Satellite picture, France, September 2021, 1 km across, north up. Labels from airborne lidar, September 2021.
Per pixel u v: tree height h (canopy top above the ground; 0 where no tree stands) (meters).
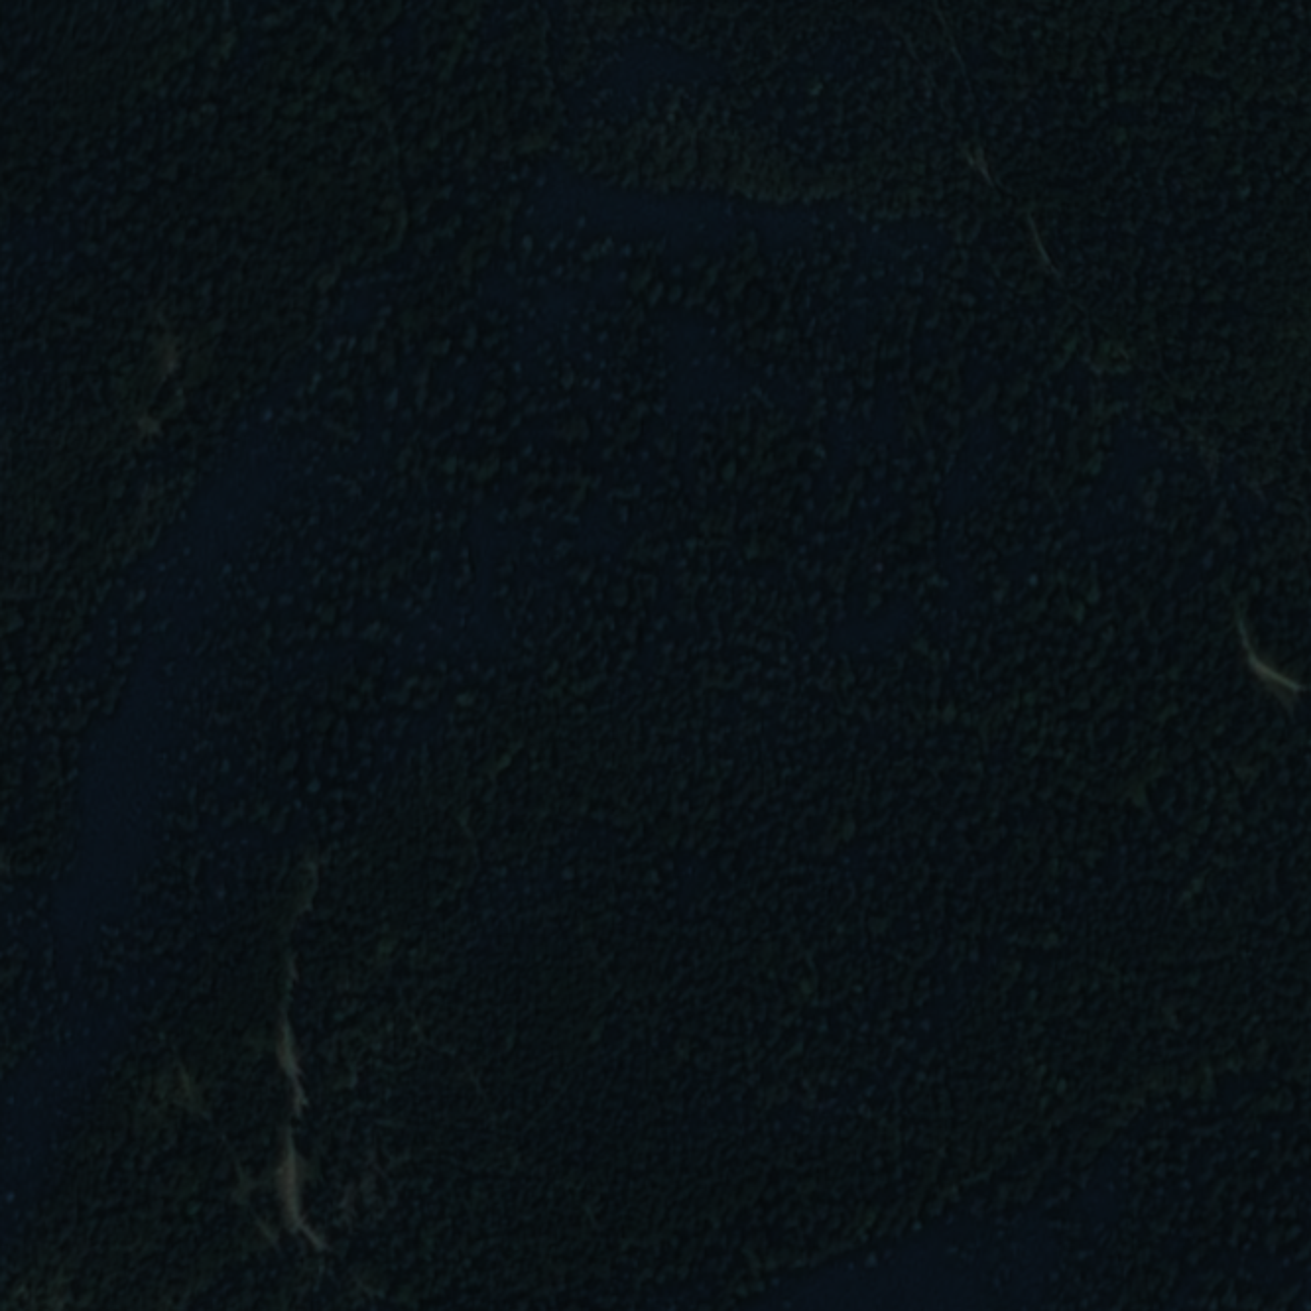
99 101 17
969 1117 24
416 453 19
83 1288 16
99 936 20
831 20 26
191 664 19
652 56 26
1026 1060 19
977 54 15
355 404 15
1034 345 24
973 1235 21
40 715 22
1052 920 33
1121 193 7
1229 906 23
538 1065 20
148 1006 18
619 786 18
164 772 25
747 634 28
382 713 20
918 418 9
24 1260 12
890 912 21
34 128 23
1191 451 22
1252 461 20
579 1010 23
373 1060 11
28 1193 15
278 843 7
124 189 18
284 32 23
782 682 31
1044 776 19
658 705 21
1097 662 24
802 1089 16
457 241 8
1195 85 22
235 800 15
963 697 33
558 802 15
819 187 34
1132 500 27
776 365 27
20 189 30
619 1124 26
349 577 29
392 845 20
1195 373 24
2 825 12
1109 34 28
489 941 17
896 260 29
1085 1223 13
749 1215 13
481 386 21
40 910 13
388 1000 6
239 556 20
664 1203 18
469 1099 10
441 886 16
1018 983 16
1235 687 35
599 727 16
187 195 21
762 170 20
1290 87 24
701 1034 23
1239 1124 23
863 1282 8
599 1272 22
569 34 35
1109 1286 22
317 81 27
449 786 22
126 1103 13
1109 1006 27
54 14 20
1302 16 21
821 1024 18
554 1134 12
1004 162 18
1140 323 20
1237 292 30
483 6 30
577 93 27
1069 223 25
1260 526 22
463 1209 12
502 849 25
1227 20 24
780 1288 6
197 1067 20
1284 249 26
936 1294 21
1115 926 30
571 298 18
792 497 26
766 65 29
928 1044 20
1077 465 10
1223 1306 32
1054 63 29
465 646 18
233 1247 16
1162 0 22
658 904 20
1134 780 28
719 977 25
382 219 18
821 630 20
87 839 14
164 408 24
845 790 30
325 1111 23
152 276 13
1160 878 27
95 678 11
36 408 11
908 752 33
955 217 20
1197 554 26
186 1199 13
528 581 7
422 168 9
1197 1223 28
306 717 22
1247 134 25
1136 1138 8
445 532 23
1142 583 25
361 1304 8
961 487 21
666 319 10
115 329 15
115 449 18
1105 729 21
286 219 25
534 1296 22
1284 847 9
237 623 12
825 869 16
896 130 8
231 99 28
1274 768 6
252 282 19
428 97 22
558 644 22
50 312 29
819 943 28
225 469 22
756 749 18
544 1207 13
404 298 26
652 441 30
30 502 21
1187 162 31
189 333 18
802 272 27
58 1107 17
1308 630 27
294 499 18
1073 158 24
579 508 18
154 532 23
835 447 8
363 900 17
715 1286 21
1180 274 24
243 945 25
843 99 34
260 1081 12
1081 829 20
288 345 17
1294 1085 23
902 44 22
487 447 34
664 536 23
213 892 21
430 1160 9
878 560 22
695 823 28
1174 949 27
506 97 17
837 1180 22
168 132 24
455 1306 20
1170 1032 7
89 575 15
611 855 19
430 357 21
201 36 26
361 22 29
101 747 12
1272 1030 22
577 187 27
